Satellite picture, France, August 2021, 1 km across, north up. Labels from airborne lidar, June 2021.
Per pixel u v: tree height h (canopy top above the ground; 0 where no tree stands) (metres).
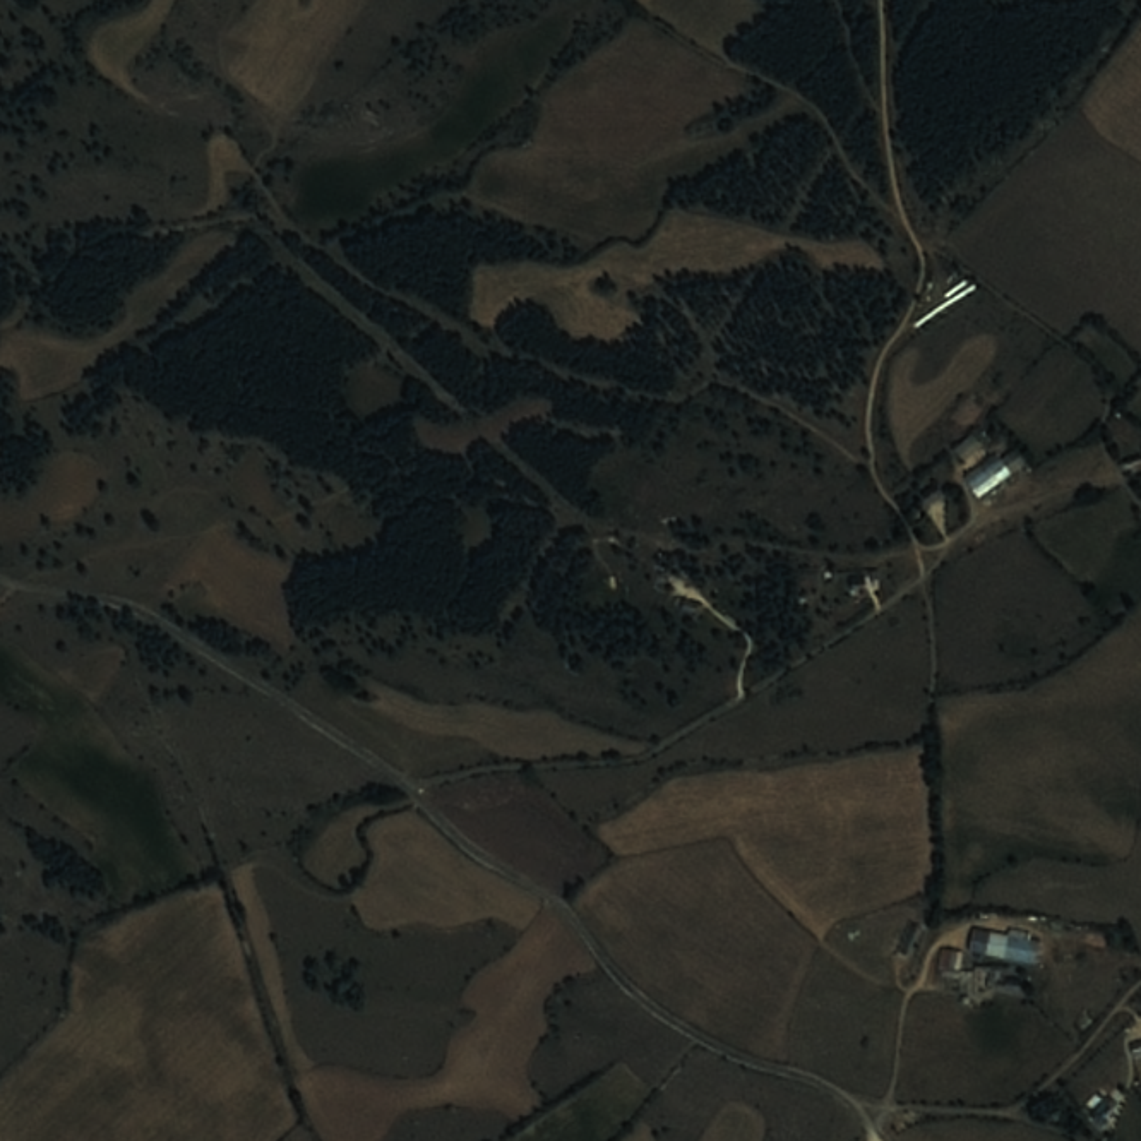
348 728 0
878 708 0
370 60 0
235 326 15
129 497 0
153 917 0
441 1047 0
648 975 0
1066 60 12
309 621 10
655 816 0
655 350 13
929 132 11
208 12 0
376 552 15
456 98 0
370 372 0
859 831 0
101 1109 0
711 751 0
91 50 0
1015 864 9
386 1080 0
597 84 0
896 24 11
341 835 0
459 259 11
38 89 14
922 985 0
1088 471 0
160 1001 0
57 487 0
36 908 0
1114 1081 0
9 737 0
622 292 0
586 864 0
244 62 0
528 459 13
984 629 0
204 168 0
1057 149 0
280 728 0
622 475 0
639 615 12
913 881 0
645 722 0
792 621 9
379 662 0
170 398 16
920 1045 0
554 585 13
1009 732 0
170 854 0
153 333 10
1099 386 12
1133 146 0
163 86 0
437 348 16
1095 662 0
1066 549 0
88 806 0
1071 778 0
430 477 14
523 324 16
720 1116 0
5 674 0
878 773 0
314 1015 0
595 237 0
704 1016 0
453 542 15
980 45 14
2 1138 0
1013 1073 0
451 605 18
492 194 0
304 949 0
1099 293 0
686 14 0
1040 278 0
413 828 0
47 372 0
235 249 7
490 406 13
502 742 0
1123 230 0
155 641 10
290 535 0
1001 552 0
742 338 16
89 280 15
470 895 0
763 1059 0
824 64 9
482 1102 0
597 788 0
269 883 0
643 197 0
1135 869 0
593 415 15
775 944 0
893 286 10
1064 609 0
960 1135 0
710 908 0
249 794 0
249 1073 0
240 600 0
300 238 12
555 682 0
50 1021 0
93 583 0
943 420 0
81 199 0
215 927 0
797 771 0
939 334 0
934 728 12
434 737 0
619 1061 0
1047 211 0
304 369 20
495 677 0
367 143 0
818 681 0
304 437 15
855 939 0
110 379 13
